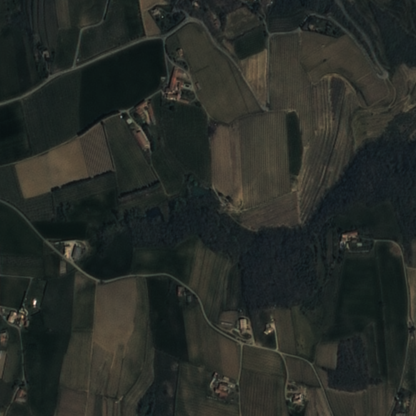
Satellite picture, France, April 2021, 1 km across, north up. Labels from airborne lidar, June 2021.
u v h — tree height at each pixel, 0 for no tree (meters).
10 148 0
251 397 0
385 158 16
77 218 0
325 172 0
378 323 0
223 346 0
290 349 0
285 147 0
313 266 11
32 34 14
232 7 15
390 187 16
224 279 0
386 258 0
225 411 0
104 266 0
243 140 0
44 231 0
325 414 0
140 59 0
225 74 0
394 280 0
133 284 0
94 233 0
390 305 0
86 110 0
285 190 0
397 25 10
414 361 0
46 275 0
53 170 0
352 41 0
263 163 0
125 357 0
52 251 0
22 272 0
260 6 10
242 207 0
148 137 9
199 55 0
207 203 17
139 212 22
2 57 0
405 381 0
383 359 0
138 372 0
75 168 0
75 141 0
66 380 0
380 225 0
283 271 14
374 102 0
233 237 18
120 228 26
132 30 0
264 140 0
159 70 0
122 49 0
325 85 0
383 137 12
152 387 10
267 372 0
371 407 0
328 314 0
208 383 0
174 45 0
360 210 0
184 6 10
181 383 0
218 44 0
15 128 0
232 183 0
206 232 20
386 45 7
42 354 0
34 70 0
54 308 0
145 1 0
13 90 0
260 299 12
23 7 7
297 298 16
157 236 25
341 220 0
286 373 0
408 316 0
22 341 0
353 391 7
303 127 0
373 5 11
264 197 0
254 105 0
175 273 0
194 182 9
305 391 0
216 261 0
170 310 0
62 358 0
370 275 0
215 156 0
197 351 0
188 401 0
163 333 0
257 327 0
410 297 0
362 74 0
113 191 0
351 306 0
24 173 0
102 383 0
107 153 0
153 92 0
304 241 19
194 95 0
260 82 0
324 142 0
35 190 0
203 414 0
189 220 19
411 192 17
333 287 0
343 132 0
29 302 0
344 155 0
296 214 0
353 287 0
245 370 0
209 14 9
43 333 0
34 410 0
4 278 0
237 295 0
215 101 0
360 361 8
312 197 0
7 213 0
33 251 0
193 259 0
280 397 0
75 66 0
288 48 0
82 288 0
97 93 0
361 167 18
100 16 0
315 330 0
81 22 0
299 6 6
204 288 0
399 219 9
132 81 0
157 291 0
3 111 0
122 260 0
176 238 17
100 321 0
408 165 13
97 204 0
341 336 0
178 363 0
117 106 0
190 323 0
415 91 0
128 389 0
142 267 0
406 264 0
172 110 9
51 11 0
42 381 0
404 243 6
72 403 0
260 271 16
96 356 0
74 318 0
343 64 0
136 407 0
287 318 0
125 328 0
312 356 0
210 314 0
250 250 21
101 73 0
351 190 10
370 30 9
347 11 9
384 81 0
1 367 0
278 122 0
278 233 20
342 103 0
